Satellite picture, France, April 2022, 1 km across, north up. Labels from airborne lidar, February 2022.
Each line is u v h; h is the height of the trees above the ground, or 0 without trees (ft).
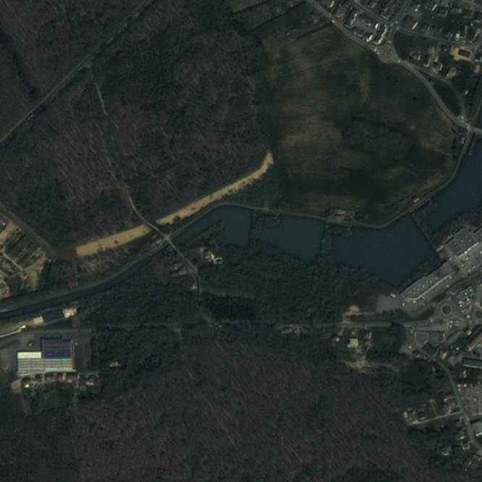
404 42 0
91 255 0
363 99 0
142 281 72
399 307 0
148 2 0
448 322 0
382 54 0
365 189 0
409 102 0
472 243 0
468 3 0
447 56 0
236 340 78
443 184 0
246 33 79
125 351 87
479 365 0
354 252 0
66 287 69
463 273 0
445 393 0
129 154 74
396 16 0
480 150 0
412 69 0
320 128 0
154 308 56
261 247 46
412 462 76
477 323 0
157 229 0
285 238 0
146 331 79
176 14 75
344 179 0
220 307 58
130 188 76
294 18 0
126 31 43
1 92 82
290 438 84
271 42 0
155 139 32
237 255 52
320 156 0
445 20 0
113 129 91
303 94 0
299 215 0
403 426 79
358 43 0
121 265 74
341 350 0
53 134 88
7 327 0
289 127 0
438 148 0
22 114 75
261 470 73
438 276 0
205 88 84
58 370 0
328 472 66
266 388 90
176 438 83
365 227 0
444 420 0
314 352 79
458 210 0
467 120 0
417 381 0
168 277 0
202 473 82
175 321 77
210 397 83
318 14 0
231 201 52
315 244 0
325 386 87
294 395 89
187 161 36
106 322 52
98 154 98
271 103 0
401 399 73
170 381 114
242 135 30
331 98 0
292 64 0
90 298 49
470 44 0
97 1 92
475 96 45
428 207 44
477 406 0
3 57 81
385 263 0
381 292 37
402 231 0
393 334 64
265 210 0
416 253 0
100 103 29
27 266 0
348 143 65
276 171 67
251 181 0
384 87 0
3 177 90
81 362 0
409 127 0
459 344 0
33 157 89
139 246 0
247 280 84
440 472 94
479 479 33
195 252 0
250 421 86
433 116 0
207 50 84
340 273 55
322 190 0
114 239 0
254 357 98
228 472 67
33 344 0
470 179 0
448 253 0
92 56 0
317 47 0
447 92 0
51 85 54
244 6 0
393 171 0
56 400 0
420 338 0
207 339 87
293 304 60
